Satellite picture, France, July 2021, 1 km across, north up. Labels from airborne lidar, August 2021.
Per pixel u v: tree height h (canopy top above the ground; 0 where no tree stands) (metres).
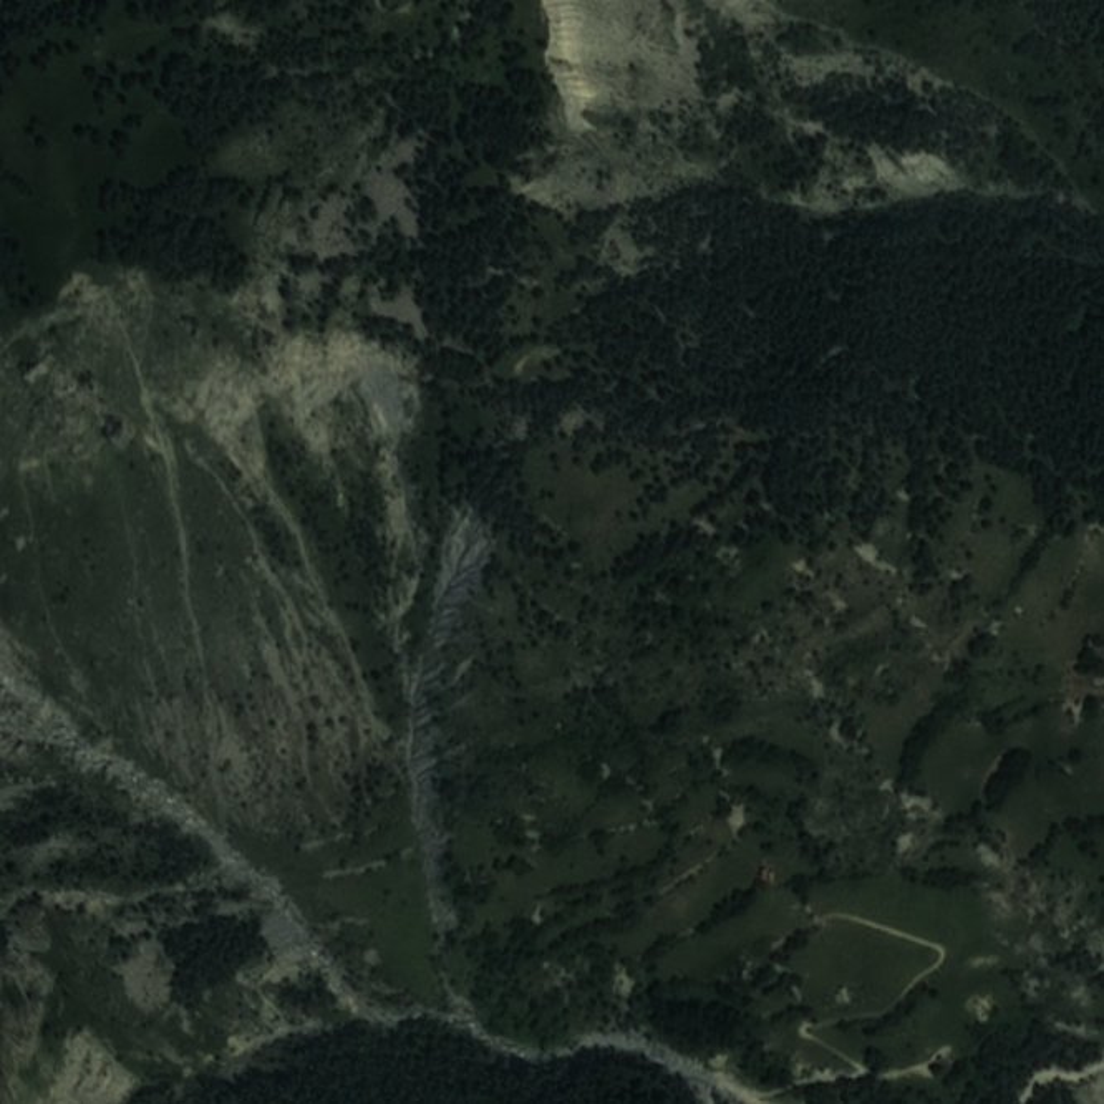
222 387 0
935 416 19
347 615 0
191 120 21
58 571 0
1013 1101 14
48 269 0
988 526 12
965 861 0
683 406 18
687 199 12
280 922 0
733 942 0
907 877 8
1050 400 24
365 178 0
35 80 0
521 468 13
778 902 0
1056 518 10
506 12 16
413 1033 10
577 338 12
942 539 8
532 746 6
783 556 0
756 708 0
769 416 20
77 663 0
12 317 0
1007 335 20
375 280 13
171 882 8
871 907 0
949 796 0
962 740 0
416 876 0
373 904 0
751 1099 0
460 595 0
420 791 0
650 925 0
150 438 0
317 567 0
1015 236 22
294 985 7
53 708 0
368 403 0
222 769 7
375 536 6
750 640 7
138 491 0
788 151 12
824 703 8
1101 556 0
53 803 7
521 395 14
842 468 10
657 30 0
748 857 0
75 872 8
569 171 0
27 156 0
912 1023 0
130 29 0
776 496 24
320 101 13
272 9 13
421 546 0
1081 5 7
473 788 13
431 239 25
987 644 6
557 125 0
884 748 0
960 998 0
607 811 0
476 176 0
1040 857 9
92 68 15
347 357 0
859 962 0
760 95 11
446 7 16
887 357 23
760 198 7
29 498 0
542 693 0
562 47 0
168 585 0
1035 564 7
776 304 19
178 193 24
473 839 0
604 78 0
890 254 20
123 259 9
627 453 13
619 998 7
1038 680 8
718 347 13
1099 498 7
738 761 9
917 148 9
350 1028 8
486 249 13
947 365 17
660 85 0
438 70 13
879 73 6
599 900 9
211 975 9
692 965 0
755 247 18
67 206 0
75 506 0
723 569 9
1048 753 0
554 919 9
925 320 22
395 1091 23
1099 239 12
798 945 12
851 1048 0
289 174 10
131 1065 0
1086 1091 0
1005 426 13
